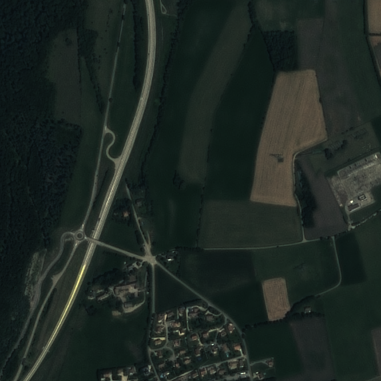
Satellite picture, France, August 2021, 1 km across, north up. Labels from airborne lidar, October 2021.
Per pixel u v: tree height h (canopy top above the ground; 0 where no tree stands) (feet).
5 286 65
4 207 104
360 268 0
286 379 0
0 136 76
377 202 0
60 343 0
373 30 0
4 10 104
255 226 0
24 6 101
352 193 0
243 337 42
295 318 65
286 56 72
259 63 0
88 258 0
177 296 0
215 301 0
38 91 53
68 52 0
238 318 0
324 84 0
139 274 0
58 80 0
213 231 0
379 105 0
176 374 20
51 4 80
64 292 0
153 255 0
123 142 0
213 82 0
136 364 35
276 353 0
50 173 102
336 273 0
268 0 0
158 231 0
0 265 66
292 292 0
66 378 0
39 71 27
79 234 0
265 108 0
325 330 0
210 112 0
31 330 0
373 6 0
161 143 0
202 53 0
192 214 0
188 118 0
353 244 0
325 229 0
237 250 0
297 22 0
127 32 0
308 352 0
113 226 0
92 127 0
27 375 0
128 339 0
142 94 0
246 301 0
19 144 69
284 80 0
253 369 0
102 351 0
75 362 0
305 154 0
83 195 0
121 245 0
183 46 0
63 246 0
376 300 0
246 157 0
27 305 32
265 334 0
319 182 0
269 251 0
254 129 0
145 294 0
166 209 0
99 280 63
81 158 0
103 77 0
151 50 0
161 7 0
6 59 111
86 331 0
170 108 0
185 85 0
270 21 0
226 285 0
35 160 59
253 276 0
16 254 65
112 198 0
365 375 0
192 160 0
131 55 0
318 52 0
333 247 0
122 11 0
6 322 39
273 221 0
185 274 0
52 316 0
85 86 0
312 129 0
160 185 0
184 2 50
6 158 94
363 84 0
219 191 0
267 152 0
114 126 0
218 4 0
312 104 0
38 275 0
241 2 0
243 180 0
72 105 0
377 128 0
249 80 0
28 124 73
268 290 0
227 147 0
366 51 0
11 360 48
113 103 0
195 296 0
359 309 0
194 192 0
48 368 0
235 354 23
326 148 0
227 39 0
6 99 93
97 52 0
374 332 0
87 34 43
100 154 0
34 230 56
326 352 0
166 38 0
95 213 0
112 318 0
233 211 0
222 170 0
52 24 70
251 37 37
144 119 0
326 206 0
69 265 0
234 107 0
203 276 0
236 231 0
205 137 0
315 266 0
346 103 0
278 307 0
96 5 0
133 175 0
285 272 0
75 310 0
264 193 0
